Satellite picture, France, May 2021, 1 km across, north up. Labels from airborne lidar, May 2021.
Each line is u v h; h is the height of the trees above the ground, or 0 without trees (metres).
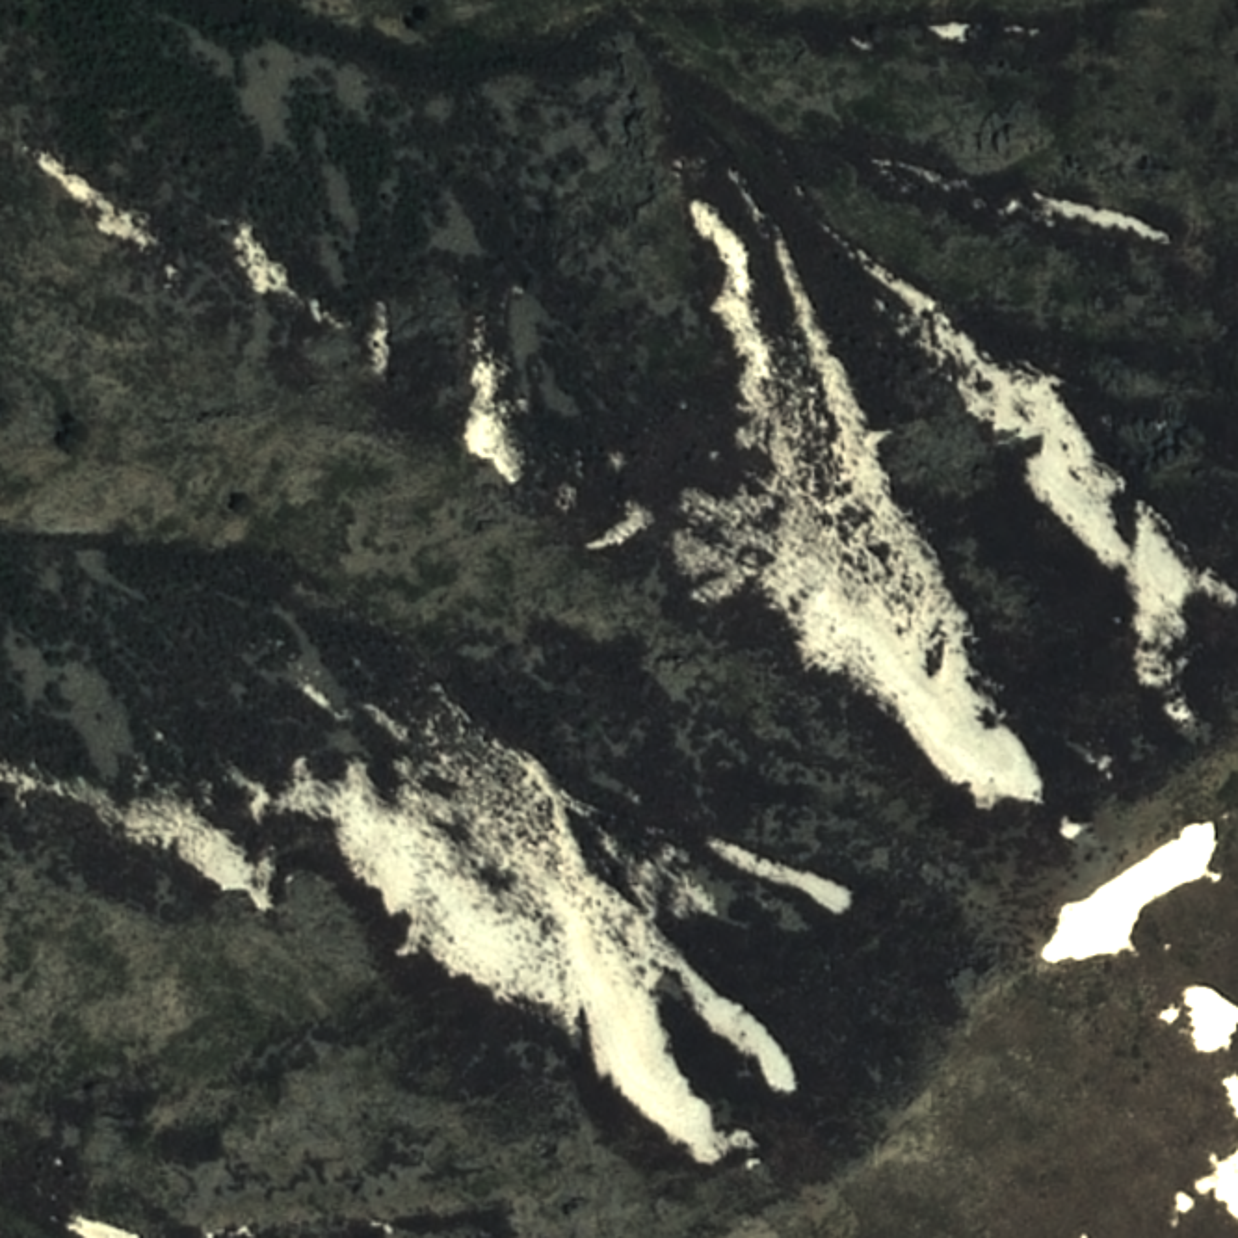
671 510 7
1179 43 0
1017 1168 0
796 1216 0
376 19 0
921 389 0
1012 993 0
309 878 0
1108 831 0
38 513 0
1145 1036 0
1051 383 0
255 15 6
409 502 0
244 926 0
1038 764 0
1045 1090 0
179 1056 0
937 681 0
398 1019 0
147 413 0
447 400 0
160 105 6
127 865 0
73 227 0
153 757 7
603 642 0
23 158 0
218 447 0
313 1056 0
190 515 0
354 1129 0
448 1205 0
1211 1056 0
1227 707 0
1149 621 0
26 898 0
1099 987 0
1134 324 0
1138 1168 0
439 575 0
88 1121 0
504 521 0
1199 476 0
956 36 0
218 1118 0
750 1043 0
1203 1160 0
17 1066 0
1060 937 0
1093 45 0
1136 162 0
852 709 0
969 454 0
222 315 0
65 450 15
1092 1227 0
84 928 0
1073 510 0
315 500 0
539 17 0
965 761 0
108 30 8
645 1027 0
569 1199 0
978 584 0
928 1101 0
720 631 0
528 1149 0
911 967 0
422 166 8
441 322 0
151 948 0
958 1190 0
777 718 0
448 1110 0
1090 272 0
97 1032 0
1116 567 0
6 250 0
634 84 0
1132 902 0
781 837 0
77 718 0
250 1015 0
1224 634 0
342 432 0
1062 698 0
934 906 0
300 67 0
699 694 0
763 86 0
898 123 0
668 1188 0
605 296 0
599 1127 0
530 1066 0
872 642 0
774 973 0
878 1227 0
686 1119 0
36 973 0
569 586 0
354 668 7
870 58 0
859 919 0
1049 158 0
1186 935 0
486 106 6
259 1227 0
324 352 0
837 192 0
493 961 0
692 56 0
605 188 0
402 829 0
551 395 0
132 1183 0
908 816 0
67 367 0
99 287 0
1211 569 0
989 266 0
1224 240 0
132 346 0
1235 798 0
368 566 0
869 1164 0
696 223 0
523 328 0
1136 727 0
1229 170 0
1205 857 0
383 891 0
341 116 14
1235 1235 0
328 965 0
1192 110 0
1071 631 0
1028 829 0
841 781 0
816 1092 0
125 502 0
